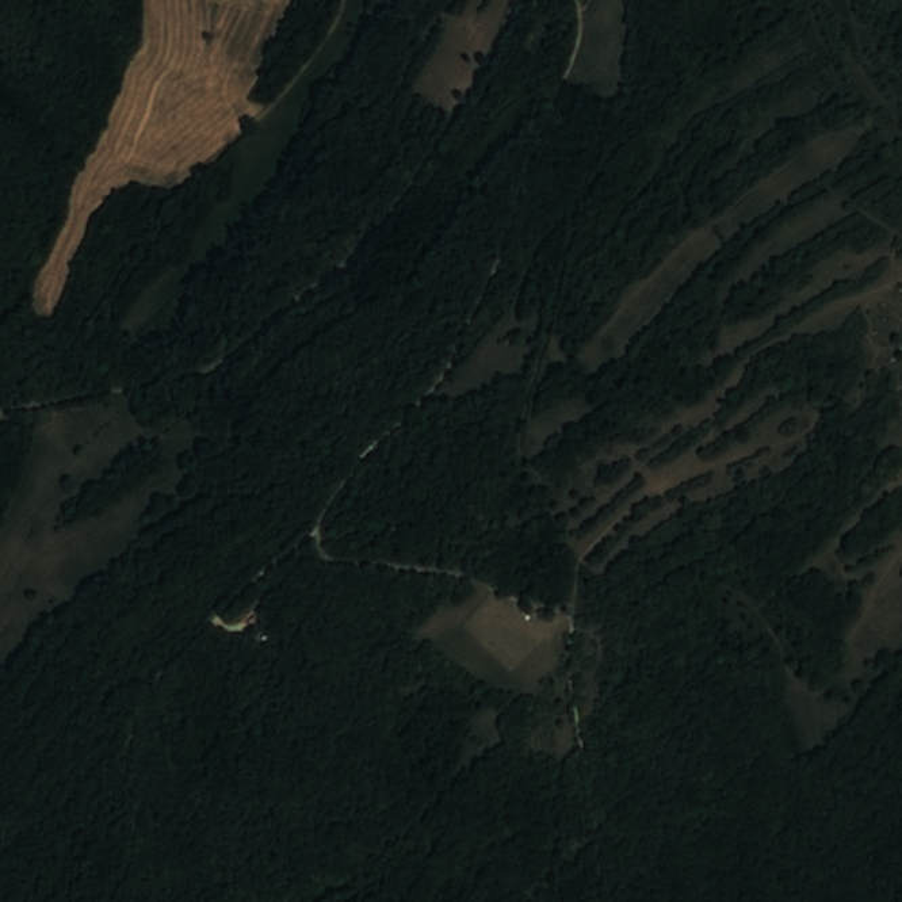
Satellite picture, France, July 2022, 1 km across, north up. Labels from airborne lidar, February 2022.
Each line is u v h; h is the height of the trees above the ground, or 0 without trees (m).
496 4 0
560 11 15
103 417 0
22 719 9
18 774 16
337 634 14
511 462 7
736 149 14
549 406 12
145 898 16
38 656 18
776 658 11
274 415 23
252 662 15
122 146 0
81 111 17
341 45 0
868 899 25
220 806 15
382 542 17
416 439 14
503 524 12
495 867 16
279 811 15
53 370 17
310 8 20
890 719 14
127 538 0
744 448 0
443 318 15
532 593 18
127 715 16
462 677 12
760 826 21
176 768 20
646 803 17
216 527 13
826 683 13
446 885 7
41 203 21
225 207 0
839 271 0
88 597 17
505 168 20
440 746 24
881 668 16
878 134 7
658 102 14
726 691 15
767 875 23
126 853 13
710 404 0
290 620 10
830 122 8
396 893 16
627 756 16
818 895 25
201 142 0
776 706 24
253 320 21
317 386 20
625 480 0
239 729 17
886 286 0
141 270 20
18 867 18
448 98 0
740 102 6
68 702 18
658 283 0
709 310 10
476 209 21
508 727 13
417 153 16
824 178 7
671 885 19
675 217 16
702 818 15
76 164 21
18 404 14
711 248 0
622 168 17
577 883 13
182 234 23
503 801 12
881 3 9
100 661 12
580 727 8
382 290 19
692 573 16
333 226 19
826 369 6
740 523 15
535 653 0
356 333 18
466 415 14
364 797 13
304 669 18
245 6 0
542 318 11
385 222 19
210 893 19
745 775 18
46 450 0
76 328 11
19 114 27
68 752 17
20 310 16
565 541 10
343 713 14
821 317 0
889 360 0
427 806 15
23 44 8
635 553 10
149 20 0
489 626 0
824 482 16
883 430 8
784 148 10
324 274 0
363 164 22
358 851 17
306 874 18
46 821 16
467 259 12
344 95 7
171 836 18
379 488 14
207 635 13
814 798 16
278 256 19
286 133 0
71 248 0
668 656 13
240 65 0
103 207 7
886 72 10
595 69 0
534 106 15
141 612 14
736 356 8
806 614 14
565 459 16
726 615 0
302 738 8
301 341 9
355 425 18
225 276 22
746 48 15
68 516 14
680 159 11
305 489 18
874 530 13
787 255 7
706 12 7
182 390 19
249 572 7
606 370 13
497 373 0
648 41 16
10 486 11
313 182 26
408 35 19
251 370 21
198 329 24
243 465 18
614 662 7
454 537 14
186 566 18
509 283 8
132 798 12
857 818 18
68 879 11
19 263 13
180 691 16
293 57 27
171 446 0
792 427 9
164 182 0
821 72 6
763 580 16
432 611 9
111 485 17
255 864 18
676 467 0
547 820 15
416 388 17
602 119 18
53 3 22
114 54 18
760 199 0
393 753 14
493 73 17
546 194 18
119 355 23
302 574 15
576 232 7
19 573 0
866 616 0
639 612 12
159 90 0
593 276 10
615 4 0
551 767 14
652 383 15
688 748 11
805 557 17
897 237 6
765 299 7
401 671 11
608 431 15
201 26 0
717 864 21
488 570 14
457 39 0
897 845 22
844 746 16
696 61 15
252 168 0
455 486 10
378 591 15
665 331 16
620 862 13
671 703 10
